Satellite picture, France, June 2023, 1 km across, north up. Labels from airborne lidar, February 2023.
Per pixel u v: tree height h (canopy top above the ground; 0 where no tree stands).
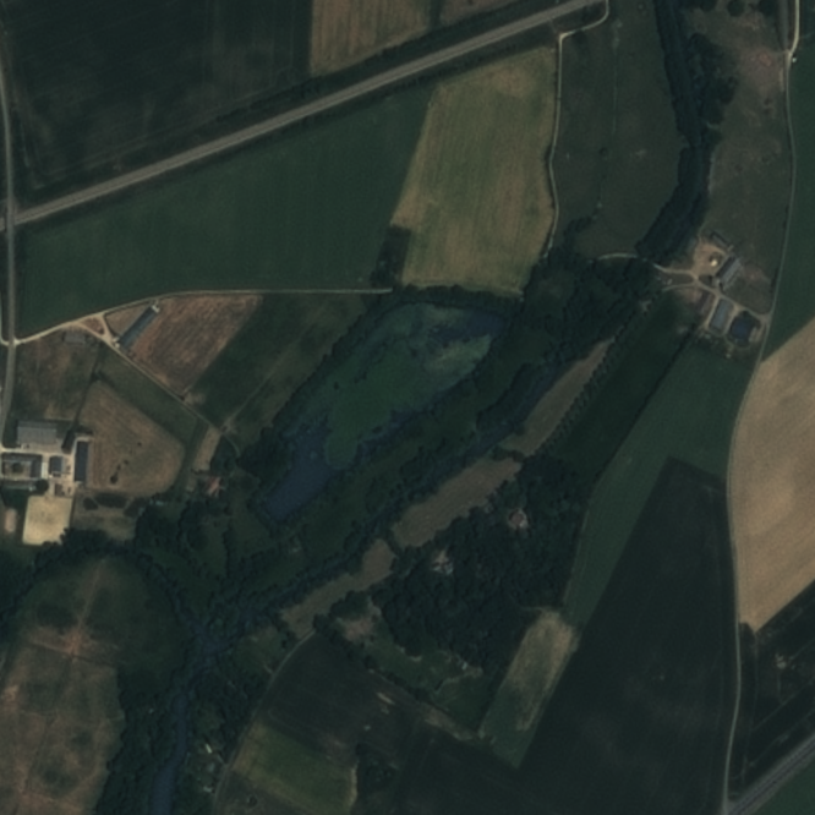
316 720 0
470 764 0
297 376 0
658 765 0
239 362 0
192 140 0
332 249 0
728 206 0
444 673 0
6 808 0
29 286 0
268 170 0
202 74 0
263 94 0
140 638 0
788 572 0
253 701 19
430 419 16
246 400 0
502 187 0
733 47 0
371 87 0
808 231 0
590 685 0
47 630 0
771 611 0
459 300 15
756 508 0
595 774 0
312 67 0
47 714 0
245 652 0
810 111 0
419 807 0
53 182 0
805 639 0
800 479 0
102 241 0
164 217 0
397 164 0
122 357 0
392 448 11
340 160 0
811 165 0
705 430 0
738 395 0
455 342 0
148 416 0
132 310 0
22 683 0
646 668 0
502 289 0
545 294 0
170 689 8
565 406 0
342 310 0
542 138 0
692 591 0
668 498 0
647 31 0
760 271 0
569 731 0
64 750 0
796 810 0
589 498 22
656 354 0
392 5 0
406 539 0
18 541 0
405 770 0
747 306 0
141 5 0
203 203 0
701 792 0
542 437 0
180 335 0
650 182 0
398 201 0
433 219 0
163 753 15
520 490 19
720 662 0
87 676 0
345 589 0
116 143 0
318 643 0
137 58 0
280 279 0
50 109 0
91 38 0
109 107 0
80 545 17
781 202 0
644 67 0
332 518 0
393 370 0
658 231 21
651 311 11
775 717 0
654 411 0
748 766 0
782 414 0
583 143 0
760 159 0
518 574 20
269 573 15
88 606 0
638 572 0
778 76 0
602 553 0
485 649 20
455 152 0
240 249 0
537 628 0
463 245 0
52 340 0
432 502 0
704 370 0
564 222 0
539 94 0
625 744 0
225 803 0
